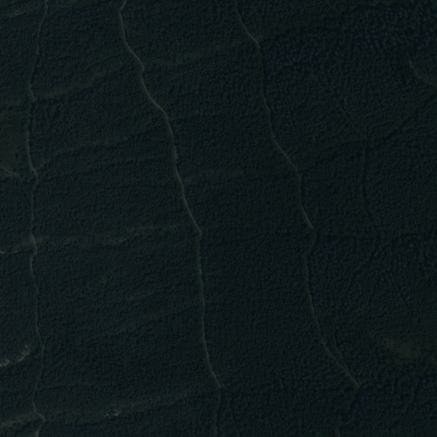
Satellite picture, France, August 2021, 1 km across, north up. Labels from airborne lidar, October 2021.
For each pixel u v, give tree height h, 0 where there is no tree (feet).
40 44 39
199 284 27
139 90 21
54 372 32
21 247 24
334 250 73
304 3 87
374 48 44
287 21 62
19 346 33
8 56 40
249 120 77
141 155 39
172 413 36
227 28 53
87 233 37
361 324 47
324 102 74
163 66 18
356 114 77
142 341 36
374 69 56
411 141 62
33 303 39
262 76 25
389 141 77
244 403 68
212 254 46
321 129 61
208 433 41
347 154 60
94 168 26
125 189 35
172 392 45
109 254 23
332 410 68
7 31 34
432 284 68
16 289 36
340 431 31
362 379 69
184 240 33
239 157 41
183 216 31
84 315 37
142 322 49
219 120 51
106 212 47
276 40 53
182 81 26
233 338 46
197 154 48
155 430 43
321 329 24
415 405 62
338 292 59
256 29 56
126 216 28
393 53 58
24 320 33
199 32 46
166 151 44
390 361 23
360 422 58
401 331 27
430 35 63
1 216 41
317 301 58
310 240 84
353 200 77
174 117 32
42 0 24
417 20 18
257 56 41
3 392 19
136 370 65
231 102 76
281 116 62
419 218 77
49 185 28
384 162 72
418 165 65
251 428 45
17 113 19
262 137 72
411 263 73
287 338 53
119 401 25
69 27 41
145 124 37
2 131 39
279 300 72
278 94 43
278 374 56
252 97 79
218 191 47
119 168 41
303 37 62
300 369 55
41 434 20
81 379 37
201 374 45
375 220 79
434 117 62
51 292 42
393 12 52
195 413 31
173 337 38
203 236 30
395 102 80
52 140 51
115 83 39
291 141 44
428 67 75
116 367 63
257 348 52
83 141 34
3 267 31
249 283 55
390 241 22
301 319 69
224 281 44
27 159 35
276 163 54
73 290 39
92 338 39
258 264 61
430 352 32
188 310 51
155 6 54
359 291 62
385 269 68
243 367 43
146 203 40
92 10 33
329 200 69
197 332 44
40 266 26
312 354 69
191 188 35
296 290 63
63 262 26
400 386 85
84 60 34
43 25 23
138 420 47
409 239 41
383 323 43
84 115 35
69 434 24
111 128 41
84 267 37
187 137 65
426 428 38
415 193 80
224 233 70
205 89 70
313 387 61
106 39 37
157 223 33
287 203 66
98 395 32
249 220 56
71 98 38
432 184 60
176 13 41
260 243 72
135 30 46
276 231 50
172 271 39
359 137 80
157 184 23
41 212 31
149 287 31
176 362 37
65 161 41
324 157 42
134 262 32
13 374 22
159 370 61
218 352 44
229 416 52
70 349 34
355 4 31
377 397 61
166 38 38
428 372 31
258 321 63
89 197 38
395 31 26
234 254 62
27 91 30
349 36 84
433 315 48
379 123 89
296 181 56
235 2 25
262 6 81
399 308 53
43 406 34
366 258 76
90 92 25
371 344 27
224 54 21
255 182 71
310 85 55
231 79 86
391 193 74
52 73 45
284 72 65
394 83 75
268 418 71
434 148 69
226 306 55
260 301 35
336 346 21
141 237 37
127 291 28
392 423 38
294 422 83
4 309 34
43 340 42
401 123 54
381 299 62
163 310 41
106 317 42
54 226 40
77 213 40
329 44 82
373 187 69
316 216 57
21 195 51
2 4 20
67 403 45
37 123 49
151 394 36
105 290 24
